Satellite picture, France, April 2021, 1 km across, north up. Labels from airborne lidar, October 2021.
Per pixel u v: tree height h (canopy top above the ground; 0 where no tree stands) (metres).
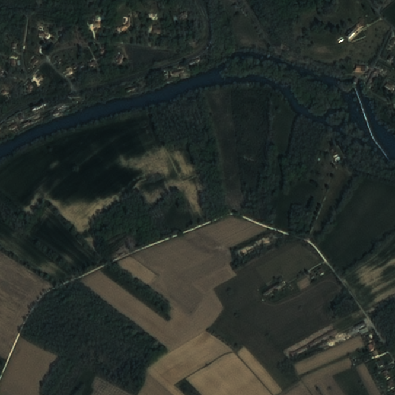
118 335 15
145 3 21
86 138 0
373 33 0
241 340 0
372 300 0
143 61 12
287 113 0
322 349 0
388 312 23
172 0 20
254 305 0
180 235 17
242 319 0
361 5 0
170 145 23
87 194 0
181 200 19
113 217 19
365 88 20
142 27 11
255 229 0
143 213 25
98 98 18
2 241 0
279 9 24
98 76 22
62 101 10
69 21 13
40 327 14
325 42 0
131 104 0
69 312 16
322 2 21
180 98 18
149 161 0
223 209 27
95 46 16
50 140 13
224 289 0
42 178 0
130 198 23
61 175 0
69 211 0
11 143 0
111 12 21
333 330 0
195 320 0
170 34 17
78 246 0
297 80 23
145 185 0
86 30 12
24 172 0
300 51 10
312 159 19
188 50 17
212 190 28
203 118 27
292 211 15
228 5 0
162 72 14
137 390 12
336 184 0
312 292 0
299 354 7
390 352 19
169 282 0
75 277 16
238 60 21
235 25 0
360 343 0
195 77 0
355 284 0
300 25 17
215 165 26
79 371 11
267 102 7
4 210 24
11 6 18
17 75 22
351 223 0
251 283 0
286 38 16
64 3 12
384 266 0
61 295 12
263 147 9
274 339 0
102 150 0
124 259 0
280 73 25
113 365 9
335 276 6
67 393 12
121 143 0
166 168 0
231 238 0
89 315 14
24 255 0
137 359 18
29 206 0
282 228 0
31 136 0
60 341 18
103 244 23
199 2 0
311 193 0
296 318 0
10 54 21
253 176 8
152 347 15
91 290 14
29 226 27
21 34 20
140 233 16
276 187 14
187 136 31
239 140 9
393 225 0
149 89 14
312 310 0
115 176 0
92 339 14
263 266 0
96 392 0
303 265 0
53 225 0
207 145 22
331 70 21
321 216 0
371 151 12
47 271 0
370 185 0
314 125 16
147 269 0
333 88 17
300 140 19
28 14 22
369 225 0
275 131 0
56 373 21
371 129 0
